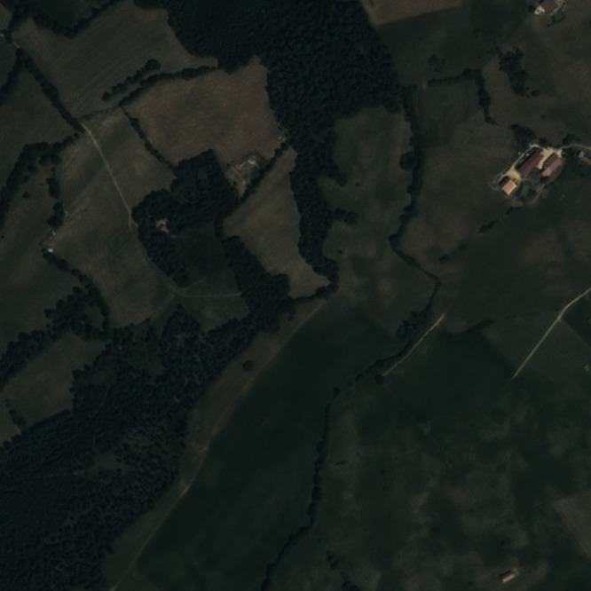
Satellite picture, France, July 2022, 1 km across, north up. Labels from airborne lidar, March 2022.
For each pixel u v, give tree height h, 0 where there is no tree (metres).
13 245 0
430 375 0
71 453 13
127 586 0
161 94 0
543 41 0
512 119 0
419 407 0
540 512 0
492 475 0
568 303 0
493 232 0
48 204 0
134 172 0
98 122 0
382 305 0
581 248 0
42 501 6
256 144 0
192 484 0
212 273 0
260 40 9
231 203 12
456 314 0
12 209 0
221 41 12
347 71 30
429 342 0
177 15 9
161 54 0
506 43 0
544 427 0
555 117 0
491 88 0
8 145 0
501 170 0
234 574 0
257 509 0
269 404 0
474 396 0
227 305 0
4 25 0
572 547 0
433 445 0
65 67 0
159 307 0
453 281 0
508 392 0
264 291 11
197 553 0
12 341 0
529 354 0
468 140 0
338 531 0
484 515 0
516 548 0
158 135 0
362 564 0
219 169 10
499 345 0
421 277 0
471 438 0
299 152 14
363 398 0
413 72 0
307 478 0
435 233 0
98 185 0
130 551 0
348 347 0
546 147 8
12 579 18
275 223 0
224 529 0
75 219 0
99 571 8
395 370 0
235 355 30
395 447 0
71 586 25
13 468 8
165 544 0
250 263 14
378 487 0
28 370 0
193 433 0
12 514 9
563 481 0
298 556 0
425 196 0
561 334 0
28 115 0
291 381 0
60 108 12
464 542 0
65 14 0
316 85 22
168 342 10
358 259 0
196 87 0
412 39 0
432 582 0
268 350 0
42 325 0
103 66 0
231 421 0
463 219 0
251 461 0
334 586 0
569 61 0
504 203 0
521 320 0
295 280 0
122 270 0
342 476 0
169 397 20
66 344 0
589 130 0
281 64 24
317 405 0
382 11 0
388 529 0
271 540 0
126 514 33
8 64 0
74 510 7
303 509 0
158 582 0
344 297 0
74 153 0
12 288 0
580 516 0
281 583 0
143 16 0
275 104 26
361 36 29
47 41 0
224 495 0
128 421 11
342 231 0
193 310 0
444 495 0
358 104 30
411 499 0
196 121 0
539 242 0
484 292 0
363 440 0
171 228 27
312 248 24
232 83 0
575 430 0
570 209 0
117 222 0
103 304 16
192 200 13
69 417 14
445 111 0
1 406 0
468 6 0
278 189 0
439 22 0
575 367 0
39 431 21
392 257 0
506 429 0
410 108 9
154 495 30
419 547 0
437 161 0
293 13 14
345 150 0
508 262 0
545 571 0
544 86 0
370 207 0
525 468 0
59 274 0
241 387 0
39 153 21
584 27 0
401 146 0
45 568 8
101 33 0
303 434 0
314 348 0
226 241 13
